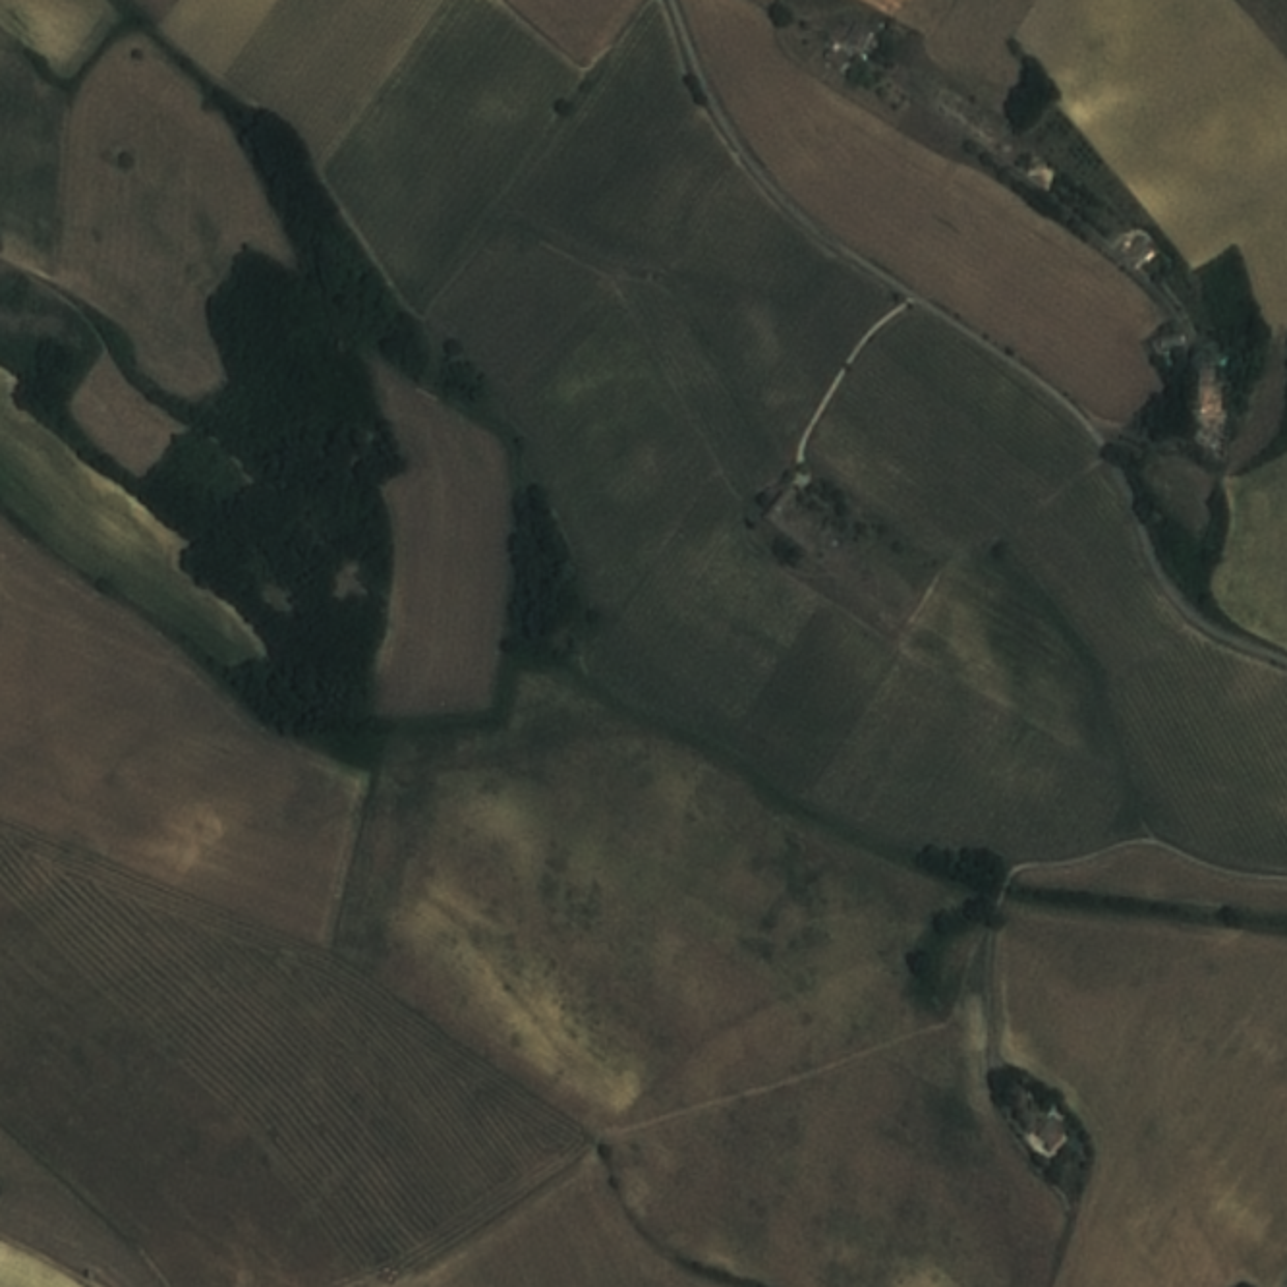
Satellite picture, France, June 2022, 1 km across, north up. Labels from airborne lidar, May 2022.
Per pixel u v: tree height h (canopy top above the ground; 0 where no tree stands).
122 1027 0
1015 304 0
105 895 0
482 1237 0
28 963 0
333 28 0
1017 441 0
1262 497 0
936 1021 0
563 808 0
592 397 0
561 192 0
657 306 0
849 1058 0
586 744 0
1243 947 0
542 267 0
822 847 0
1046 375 0
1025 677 0
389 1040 0
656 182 0
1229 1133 0
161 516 11
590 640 0
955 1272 0
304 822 0
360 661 11
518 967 0
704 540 0
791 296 0
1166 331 6
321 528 8
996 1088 15
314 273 10
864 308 0
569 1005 0
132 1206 0
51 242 0
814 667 0
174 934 0
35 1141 0
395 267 0
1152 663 0
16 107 0
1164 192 0
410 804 0
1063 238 0
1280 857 0
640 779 0
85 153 0
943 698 0
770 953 0
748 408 0
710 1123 0
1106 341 0
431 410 0
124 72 0
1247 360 13
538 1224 0
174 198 0
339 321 9
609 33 0
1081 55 0
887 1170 0
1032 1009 0
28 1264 0
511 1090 0
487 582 0
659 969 0
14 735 0
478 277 0
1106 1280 0
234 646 0
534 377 0
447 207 0
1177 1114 0
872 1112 0
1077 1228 0
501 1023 0
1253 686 0
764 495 8
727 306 0
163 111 0
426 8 0
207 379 0
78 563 0
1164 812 0
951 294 0
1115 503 0
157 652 0
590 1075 0
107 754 0
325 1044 0
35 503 0
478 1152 0
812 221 0
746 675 0
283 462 19
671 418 0
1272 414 0
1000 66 0
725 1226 0
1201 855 0
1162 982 0
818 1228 0
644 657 0
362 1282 0
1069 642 0
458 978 0
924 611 0
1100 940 0
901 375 0
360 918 0
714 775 0
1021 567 0
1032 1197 0
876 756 0
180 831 0
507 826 0
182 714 0
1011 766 0
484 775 0
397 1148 0
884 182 0
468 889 0
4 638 0
